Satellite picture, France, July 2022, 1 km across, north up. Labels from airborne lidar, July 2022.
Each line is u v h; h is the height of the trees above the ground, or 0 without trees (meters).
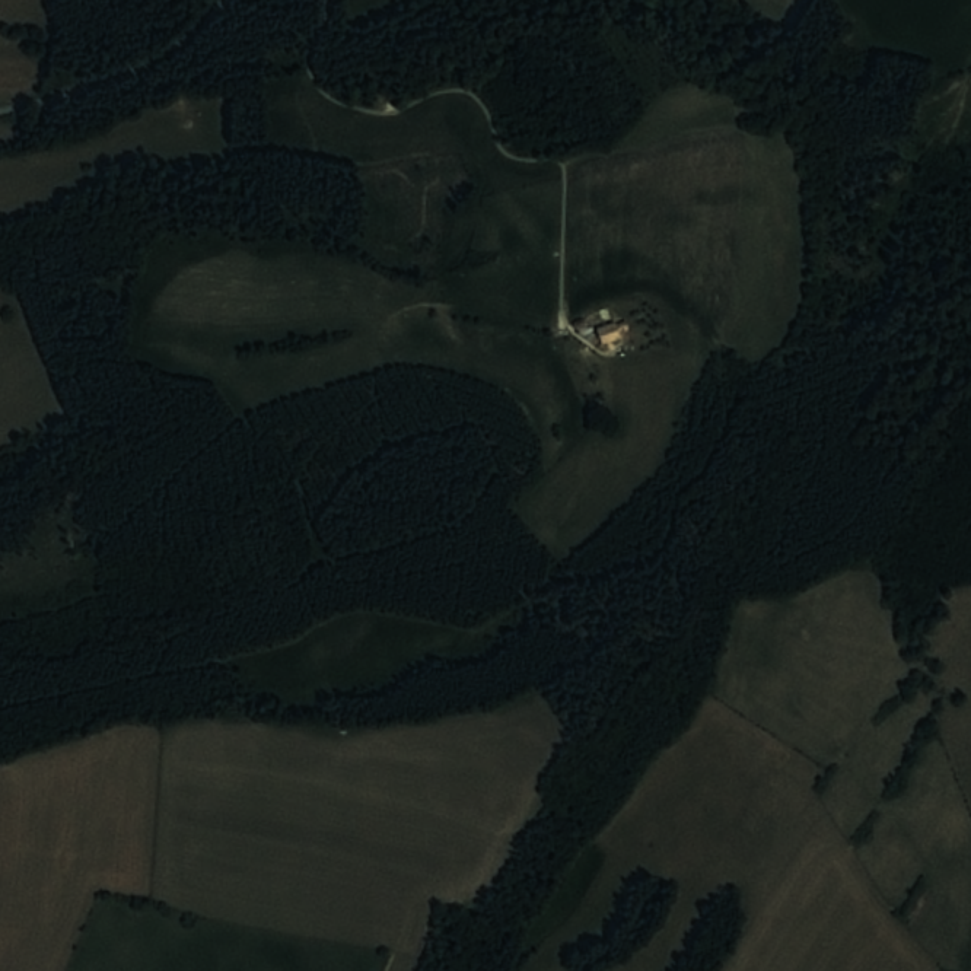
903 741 0
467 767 0
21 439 19
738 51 42
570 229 0
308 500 13
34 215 13
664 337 5
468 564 17
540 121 10
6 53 0
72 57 24
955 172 6
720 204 0
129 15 23
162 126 0
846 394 17
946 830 0
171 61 20
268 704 20
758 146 0
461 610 19
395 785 0
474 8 23
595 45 12
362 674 0
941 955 0
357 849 0
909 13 0
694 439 11
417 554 17
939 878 0
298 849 0
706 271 0
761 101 14
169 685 14
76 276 25
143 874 0
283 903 0
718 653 24
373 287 0
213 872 0
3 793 0
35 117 20
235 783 0
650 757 13
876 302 19
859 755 0
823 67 32
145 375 15
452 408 13
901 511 17
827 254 8
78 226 19
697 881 0
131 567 8
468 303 0
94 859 0
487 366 0
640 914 6
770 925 0
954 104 0
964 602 0
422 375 12
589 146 12
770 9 0
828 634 0
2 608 0
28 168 0
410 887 0
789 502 20
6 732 8
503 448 12
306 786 0
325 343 10
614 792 13
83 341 26
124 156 0
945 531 7
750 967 0
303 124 0
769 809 0
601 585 25
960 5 0
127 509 16
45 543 0
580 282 0
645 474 0
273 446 13
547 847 22
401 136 0
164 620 20
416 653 0
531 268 0
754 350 0
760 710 0
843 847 0
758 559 21
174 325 0
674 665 19
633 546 7
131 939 0
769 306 0
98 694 13
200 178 27
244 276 0
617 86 17
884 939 0
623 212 0
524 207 0
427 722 11
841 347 19
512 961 30
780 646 0
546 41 19
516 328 0
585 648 15
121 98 23
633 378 0
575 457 0
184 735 0
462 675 17
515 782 0
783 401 17
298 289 0
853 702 0
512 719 0
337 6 29
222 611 20
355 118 0
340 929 0
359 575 15
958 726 0
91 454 20
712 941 19
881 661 0
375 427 12
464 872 0
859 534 18
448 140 0
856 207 25
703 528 15
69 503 10
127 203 23
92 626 6
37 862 0
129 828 0
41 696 15
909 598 7
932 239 18
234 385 0
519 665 17
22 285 20
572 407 0
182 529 16
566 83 14
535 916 20
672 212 0
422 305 0
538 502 0
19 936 0
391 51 14
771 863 0
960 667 0
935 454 20
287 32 13
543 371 0
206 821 0
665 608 22
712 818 0
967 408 9
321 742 0
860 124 21
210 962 0
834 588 0
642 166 0
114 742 0
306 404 14
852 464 17
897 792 8
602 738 12
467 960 25
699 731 0
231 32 22
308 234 18
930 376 27
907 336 30
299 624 18
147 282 0
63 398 22
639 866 0
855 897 0
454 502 23
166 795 0
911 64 30
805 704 0
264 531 15
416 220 0
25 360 0
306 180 26
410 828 0
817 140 16
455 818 0
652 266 0
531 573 17
